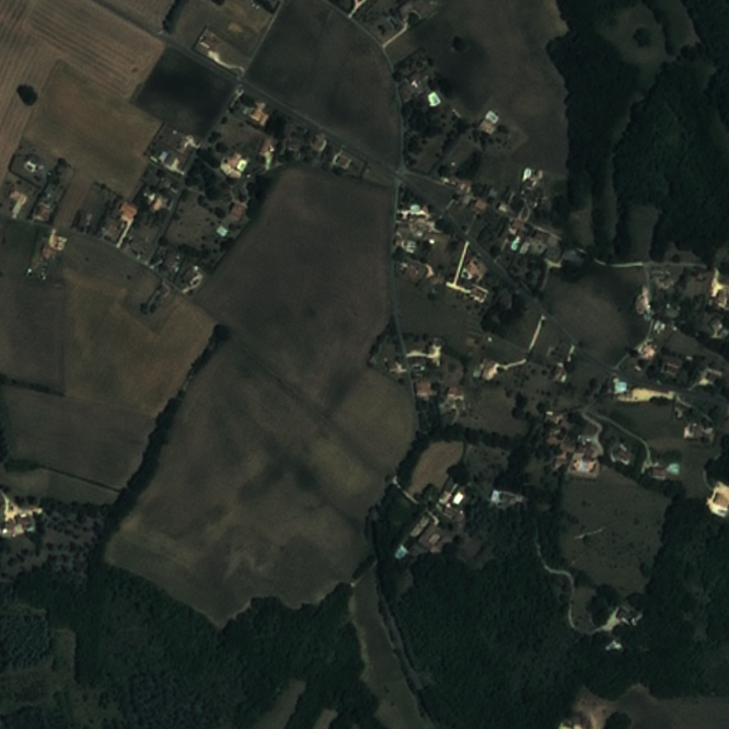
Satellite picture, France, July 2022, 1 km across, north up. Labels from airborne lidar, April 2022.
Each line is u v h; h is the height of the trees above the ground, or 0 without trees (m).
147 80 0
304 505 0
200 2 0
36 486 0
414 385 0
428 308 0
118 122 0
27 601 7
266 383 0
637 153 8
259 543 0
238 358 0
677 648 12
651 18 0
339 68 0
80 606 19
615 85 21
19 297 0
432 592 9
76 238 0
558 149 0
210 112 0
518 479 17
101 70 0
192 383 0
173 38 0
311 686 12
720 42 17
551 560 7
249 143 0
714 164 11
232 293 0
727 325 6
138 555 0
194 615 11
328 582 0
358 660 8
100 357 0
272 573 0
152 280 0
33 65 0
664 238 13
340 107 0
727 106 19
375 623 0
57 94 0
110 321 0
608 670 11
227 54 0
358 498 0
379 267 0
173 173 0
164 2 0
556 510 13
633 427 0
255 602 10
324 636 11
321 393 0
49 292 0
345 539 0
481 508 13
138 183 0
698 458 0
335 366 0
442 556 10
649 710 0
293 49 0
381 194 0
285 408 0
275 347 0
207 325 0
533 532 9
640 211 0
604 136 22
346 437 0
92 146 0
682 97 8
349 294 0
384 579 18
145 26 0
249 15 0
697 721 0
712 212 13
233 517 0
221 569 0
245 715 12
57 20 0
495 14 0
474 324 0
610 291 0
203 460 0
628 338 0
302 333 0
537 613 8
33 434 0
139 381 0
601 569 0
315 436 0
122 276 0
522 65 0
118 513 18
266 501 0
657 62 0
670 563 14
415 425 0
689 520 12
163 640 7
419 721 0
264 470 0
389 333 6
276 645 10
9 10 0
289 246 0
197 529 0
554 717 10
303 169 0
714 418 10
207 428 0
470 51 0
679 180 8
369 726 10
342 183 0
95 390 0
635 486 0
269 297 0
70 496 0
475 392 0
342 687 14
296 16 0
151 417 0
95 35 0
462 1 0
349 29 0
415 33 0
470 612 12
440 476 0
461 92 0
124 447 0
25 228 0
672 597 14
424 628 8
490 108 0
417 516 9
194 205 0
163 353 0
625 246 16
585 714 0
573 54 15
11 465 7
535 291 12
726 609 7
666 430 0
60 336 0
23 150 0
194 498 0
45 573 9
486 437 10
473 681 9
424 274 0
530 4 0
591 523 0
